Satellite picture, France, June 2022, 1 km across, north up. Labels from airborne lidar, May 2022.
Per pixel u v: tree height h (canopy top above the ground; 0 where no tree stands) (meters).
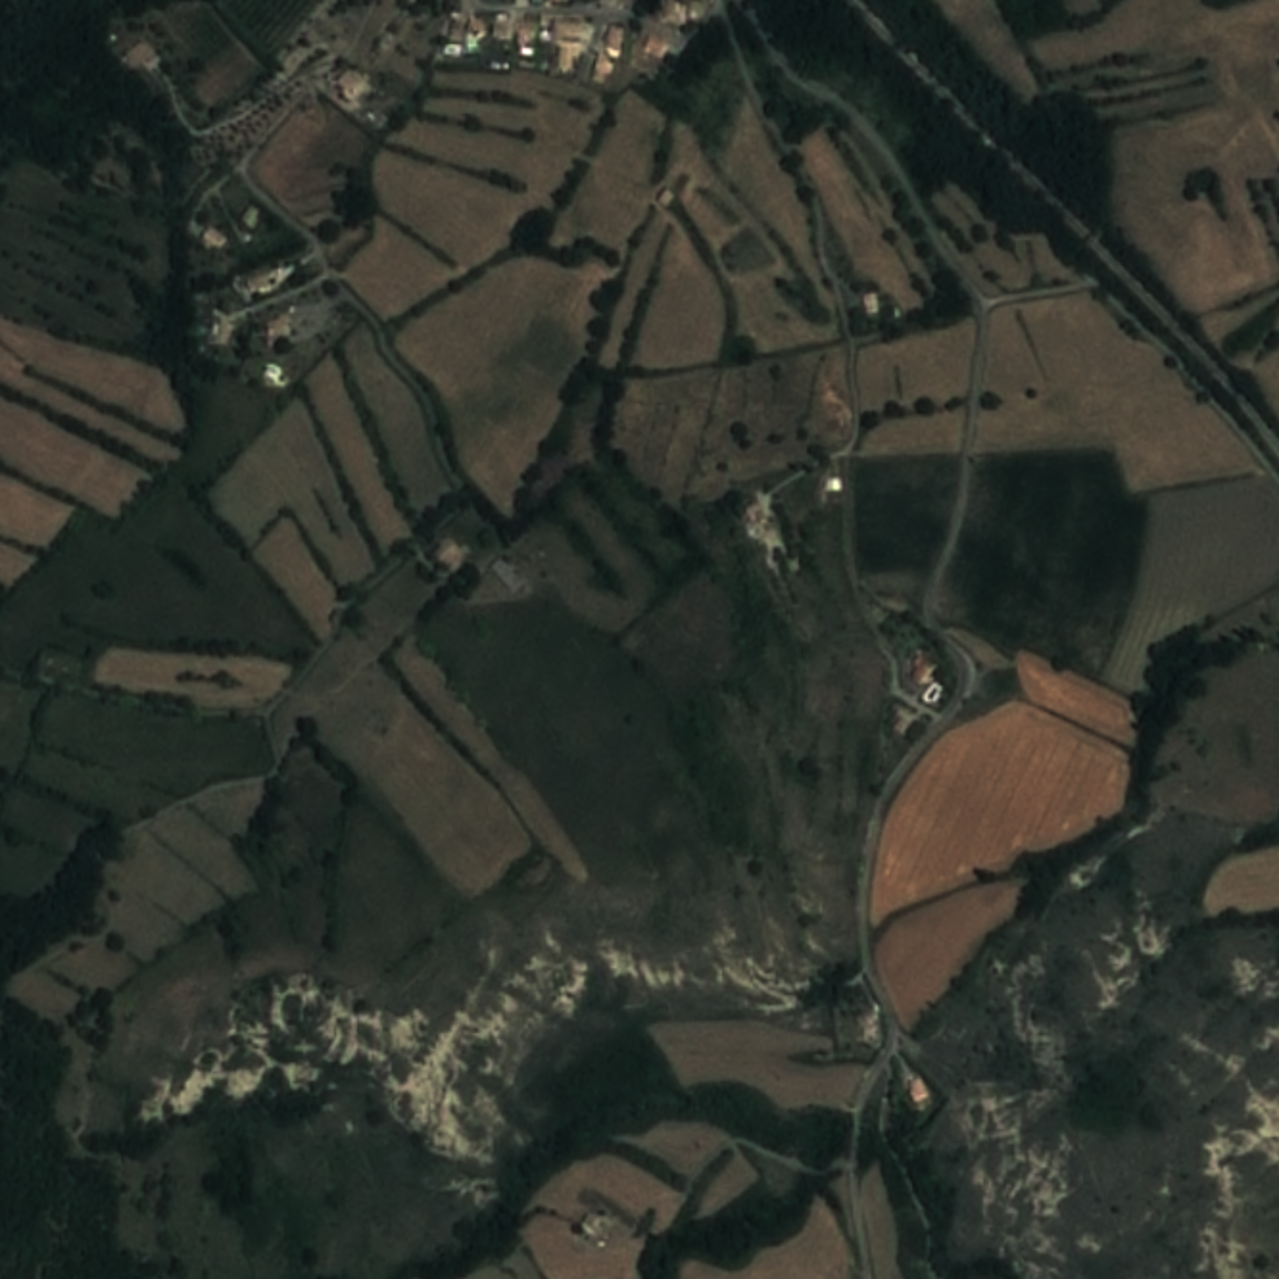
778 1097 0
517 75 0
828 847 0
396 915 0
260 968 0
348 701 0
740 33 7
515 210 0
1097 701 0
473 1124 0
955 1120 0
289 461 0
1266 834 7
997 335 0
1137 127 0
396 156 0
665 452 0
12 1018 14
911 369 0
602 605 0
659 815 0
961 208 0
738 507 10
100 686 10
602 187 0
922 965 0
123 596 0
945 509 0
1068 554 0
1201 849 0
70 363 0
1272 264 0
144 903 0
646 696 0
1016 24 9
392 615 0
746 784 0
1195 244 0
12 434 0
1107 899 0
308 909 0
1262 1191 0
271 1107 8
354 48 0
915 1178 10
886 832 0
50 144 11
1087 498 0
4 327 0
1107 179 12
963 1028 0
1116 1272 0
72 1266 15
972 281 0
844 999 7
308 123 0
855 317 9
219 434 0
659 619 0
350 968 0
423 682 0
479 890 0
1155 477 0
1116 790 0
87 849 13
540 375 0
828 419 0
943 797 0
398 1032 0
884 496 0
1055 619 0
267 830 14
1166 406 0
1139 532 0
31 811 0
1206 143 0
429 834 0
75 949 8
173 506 0
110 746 0
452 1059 0
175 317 11
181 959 0
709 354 0
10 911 17
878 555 0
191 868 0
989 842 0
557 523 0
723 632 0
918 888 0
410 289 0
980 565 0
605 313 8
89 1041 8
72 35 12
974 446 0
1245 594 0
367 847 0
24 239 0
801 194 10
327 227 12
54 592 0
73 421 11
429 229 0
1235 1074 0
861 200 0
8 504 0
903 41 13
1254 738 0
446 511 12
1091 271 7
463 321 0
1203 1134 0
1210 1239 0
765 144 0
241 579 0
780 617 6
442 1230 0
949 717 0
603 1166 0
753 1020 0
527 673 0
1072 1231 0
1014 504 0
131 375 0
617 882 0
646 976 0
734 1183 0
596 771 0
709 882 0
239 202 0
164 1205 7
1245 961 0
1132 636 0
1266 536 0
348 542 0
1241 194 0
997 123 18
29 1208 14
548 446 11
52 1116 10
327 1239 0
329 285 9
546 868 0
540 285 0
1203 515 0
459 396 0
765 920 0
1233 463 0
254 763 0
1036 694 0
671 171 0
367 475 0
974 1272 12
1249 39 0
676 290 0
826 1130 6
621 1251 0
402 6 7
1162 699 16
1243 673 0
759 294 0
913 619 11
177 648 7
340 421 0
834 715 0
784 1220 7
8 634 0
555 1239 0
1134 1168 0
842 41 9
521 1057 0
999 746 0
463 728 0
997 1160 0
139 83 9
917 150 8
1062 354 0
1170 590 0
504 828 0
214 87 0
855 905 0
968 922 0
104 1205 15
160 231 0
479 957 0
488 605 0
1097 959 0
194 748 0
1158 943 0
